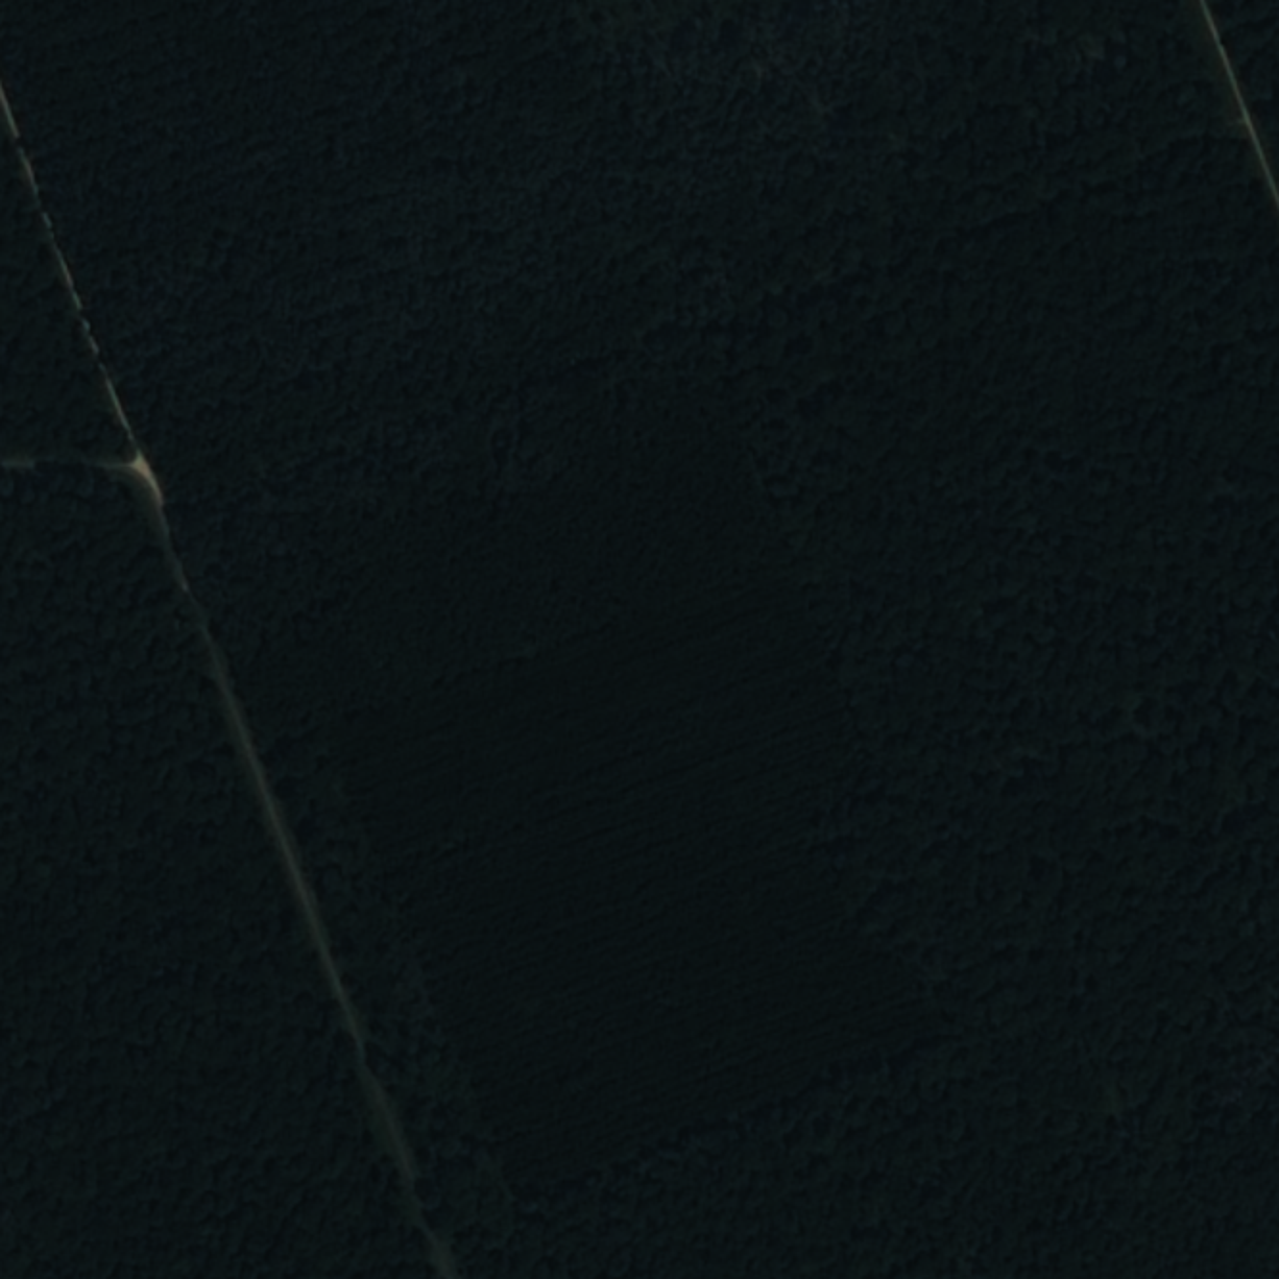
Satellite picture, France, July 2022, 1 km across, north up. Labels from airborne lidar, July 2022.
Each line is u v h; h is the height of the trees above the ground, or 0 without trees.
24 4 18
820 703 8
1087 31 30
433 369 21
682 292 17
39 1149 22
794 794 8
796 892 7
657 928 8
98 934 21
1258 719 26
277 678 18
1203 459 23
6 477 23
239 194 20
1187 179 26
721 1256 26
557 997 6
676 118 26
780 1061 8
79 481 22
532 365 16
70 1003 24
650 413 17
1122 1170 24
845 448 28
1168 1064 23
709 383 22
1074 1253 24
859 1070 26
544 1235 21
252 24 19
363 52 20
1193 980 24
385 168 22
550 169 17
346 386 19
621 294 16
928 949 19
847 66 24
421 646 17
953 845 26
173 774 29
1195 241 23
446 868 9
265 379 19
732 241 26
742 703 11
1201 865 18
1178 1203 21
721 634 10
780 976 11
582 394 23
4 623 27
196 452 19
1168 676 20
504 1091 9
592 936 6
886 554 19
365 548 19
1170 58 24
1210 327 23
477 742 10
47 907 19
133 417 15
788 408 29
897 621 25
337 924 7
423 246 18
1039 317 21
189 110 22
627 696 9
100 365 21
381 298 22
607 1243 20
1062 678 26
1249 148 10
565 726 7
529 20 20
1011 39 27
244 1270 22
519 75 21
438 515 20
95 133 17
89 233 21
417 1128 5
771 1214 22
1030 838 28
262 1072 20
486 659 15
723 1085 8
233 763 19
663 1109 7
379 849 10
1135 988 25
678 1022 8
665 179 29
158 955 19
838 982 14
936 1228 22
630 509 17
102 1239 25
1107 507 26
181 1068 23
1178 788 24
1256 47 24
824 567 19
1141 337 25
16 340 25
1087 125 25
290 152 23
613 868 10
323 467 20
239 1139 23
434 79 21
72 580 21
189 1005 24
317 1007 18
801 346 28
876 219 24
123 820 28
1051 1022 24
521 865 10
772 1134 20
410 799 9
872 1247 25
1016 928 23
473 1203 23
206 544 19
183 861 24
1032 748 23
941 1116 25
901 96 22
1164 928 24
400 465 25
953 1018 23
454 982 9
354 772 9
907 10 21
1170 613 27
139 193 23
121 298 17
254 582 25
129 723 27
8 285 27
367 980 7
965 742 29
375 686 17
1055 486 28
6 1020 17
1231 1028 23
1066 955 25
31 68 17
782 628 9
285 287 21
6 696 28
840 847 21
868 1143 26
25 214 24
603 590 18
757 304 13
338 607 17
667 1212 21
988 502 22
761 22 23
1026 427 18
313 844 22
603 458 18
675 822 9
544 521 19
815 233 23
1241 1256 22
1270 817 20
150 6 20
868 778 14
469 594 17
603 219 21
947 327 14
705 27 24
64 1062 23
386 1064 22
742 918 10
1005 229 18
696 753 8
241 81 19
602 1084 6
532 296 22
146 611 21
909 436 23
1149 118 23
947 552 23
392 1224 25
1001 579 28
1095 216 18
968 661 18
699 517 18
